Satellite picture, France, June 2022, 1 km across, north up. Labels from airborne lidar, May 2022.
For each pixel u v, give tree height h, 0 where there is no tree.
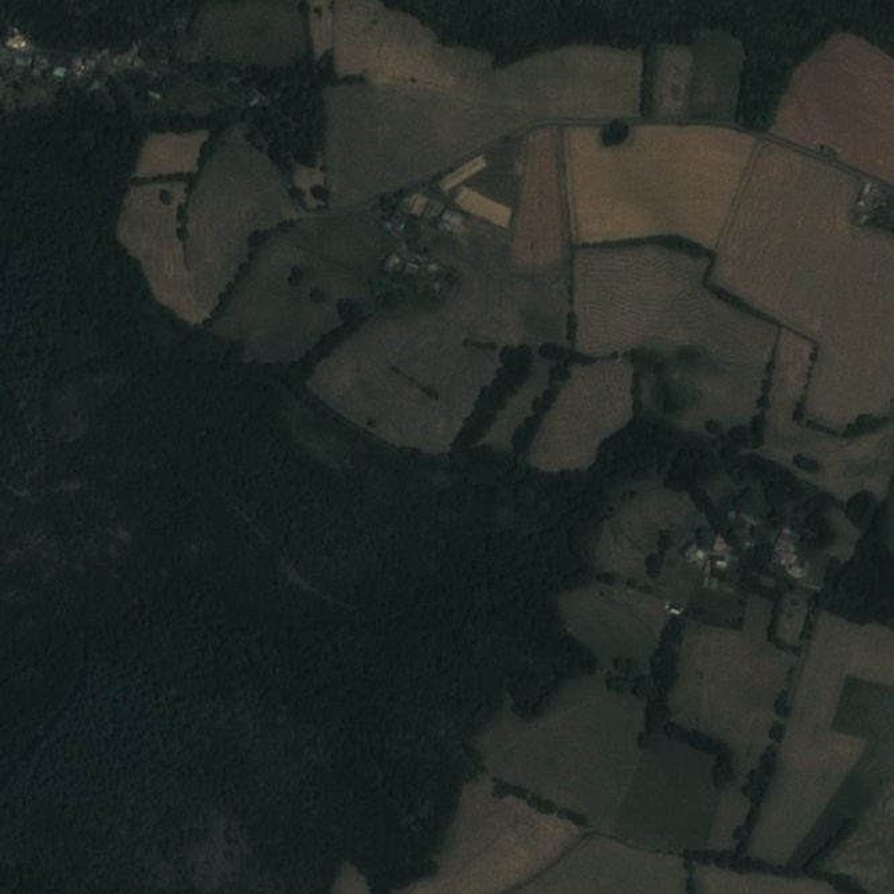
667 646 18
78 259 14
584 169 0
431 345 0
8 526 7
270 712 22
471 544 12
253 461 16
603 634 0
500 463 7
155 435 17
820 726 0
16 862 10
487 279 0
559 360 14
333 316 0
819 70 0
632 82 0
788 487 14
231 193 0
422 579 13
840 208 0
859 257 0
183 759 22
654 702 15
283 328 0
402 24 0
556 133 0
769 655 0
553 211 0
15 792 25
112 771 31
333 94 0
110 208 13
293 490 16
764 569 13
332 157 0
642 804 0
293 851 16
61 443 7
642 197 0
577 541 16
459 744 13
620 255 0
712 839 0
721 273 0
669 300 0
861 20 13
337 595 10
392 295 10
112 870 16
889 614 20
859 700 0
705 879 0
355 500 18
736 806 0
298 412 0
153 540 13
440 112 0
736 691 0
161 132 12
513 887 0
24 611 13
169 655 9
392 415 0
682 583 0
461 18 17
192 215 0
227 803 9
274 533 12
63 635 15
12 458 11
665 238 6
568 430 0
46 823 14
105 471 9
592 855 0
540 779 0
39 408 9
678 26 16
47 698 21
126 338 8
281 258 0
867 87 0
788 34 18
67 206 15
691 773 0
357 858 10
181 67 9
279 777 16
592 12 13
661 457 15
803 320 0
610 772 0
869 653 0
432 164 0
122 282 11
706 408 0
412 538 16
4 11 9
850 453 0
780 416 0
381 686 23
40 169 22
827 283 0
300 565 10
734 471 12
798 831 0
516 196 0
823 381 0
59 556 8
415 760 20
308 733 21
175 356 12
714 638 0
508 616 16
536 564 25
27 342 22
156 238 0
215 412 16
